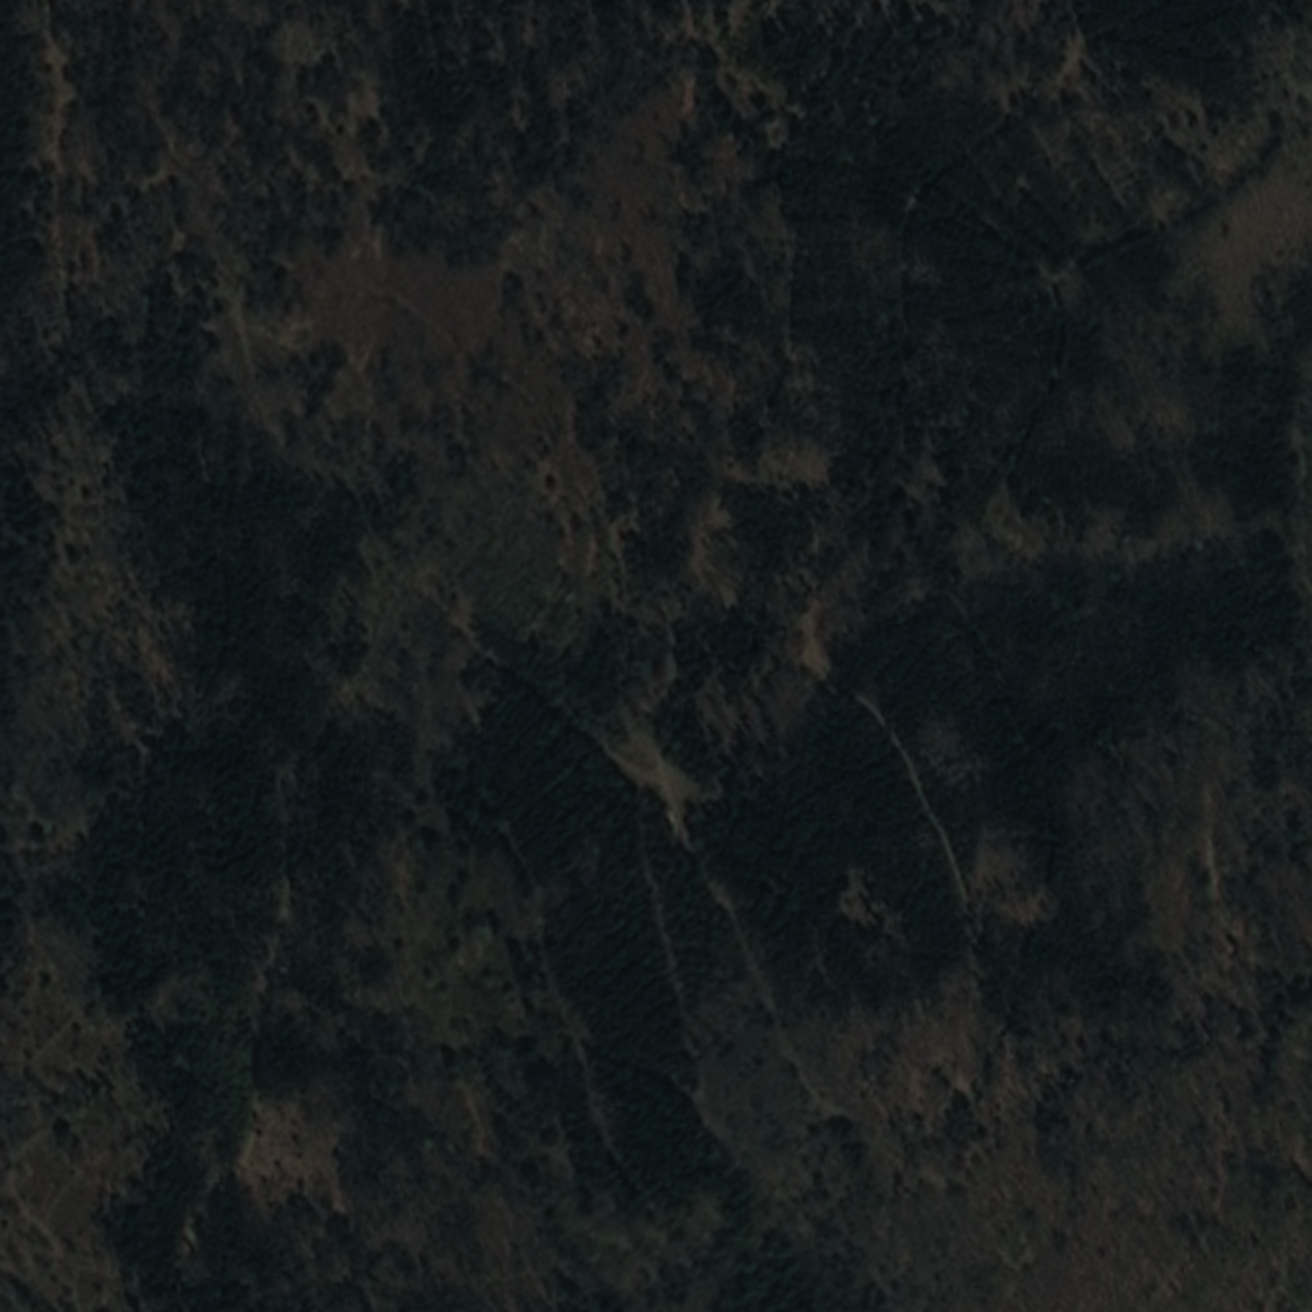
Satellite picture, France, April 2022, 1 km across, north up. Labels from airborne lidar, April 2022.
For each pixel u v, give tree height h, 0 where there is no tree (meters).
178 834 26
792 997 15
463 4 24
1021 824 20
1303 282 19
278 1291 28
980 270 26
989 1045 19
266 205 17
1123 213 19
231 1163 20
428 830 8
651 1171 27
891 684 19
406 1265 19
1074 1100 26
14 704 19
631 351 21
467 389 15
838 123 28
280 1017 23
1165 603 22
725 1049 22
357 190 16
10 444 17
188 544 26
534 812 23
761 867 15
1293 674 21
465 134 12
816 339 21
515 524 20
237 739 21
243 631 23
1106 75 15
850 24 30
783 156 12
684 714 27
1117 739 15
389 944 18
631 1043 23
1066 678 22
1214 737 19
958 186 26
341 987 26
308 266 17
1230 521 25
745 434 19
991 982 19
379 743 26
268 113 11
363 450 23
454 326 17
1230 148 14
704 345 20
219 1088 22
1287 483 20
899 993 18
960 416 19
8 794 18
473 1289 26
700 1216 14
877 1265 13
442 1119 22
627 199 18
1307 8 10
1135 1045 27
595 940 16
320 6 16
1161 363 21
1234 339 16
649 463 22
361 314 17
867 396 21
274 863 21
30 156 14
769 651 29
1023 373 20
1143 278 22
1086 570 26
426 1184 19
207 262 23
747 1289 24
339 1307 16
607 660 28
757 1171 21
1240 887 31
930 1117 12
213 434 28
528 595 22
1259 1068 23
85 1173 11
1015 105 18
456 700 19
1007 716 18
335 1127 20
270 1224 24
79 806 22
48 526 13
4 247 18
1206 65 21
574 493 16
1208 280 18
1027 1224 16
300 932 21
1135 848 19
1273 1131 26
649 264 18
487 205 15
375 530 21
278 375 26
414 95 19
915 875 19
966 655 20
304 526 25
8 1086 14
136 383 25
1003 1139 16
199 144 22
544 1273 28
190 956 24
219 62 23
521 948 20
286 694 23
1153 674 21
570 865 24
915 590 24
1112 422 19
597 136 22
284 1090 18
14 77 17
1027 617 21
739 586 22
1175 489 23
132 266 27
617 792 22
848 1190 16
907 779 21
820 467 0
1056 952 23
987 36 19
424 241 14
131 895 24
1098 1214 21
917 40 35
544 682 17
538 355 17
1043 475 20
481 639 16
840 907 18
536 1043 9
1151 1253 22
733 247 16
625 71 30
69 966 18
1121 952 23
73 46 8
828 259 22
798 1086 12
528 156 23
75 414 15
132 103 27
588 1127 25
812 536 24
